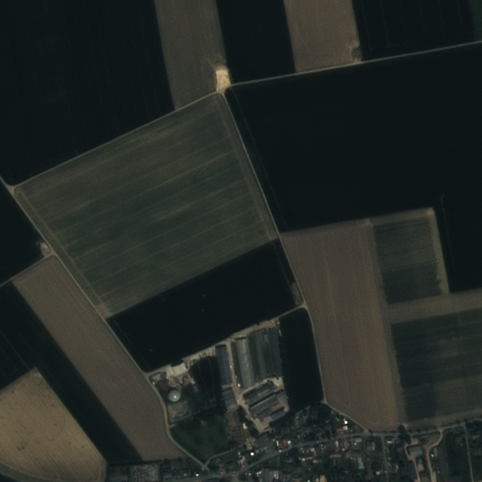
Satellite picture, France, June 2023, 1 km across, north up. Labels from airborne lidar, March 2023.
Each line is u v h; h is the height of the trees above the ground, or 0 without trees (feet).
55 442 0
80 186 0
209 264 0
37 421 0
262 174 0
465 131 0
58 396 0
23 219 0
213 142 0
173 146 0
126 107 0
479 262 0
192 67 0
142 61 0
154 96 0
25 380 0
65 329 0
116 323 0
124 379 0
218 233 0
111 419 0
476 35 0
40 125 0
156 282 0
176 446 0
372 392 0
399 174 0
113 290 0
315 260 0
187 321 0
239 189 0
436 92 0
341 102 0
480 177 0
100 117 0
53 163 0
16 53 0
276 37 0
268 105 0
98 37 0
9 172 0
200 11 0
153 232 0
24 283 0
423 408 0
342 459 0
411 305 0
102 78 0
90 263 0
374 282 0
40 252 0
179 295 0
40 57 0
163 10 0
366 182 0
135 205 0
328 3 0
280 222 0
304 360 0
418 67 0
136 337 0
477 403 0
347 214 0
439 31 0
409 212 0
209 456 0
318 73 0
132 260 0
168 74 0
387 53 0
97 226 0
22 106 0
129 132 0
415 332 0
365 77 0
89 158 0
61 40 0
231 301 0
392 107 0
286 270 0
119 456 0
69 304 0
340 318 0
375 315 0
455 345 0
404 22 0
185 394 0
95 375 0
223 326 0
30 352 0
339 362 0
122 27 0
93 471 0
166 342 0
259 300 0
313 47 0
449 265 0
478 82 0
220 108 0
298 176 0
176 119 0
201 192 0
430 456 0
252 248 0
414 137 0
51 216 0
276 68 0
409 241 0
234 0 0
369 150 0
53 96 0
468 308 0
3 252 0
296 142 0
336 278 0
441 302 0
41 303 0
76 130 0
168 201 0
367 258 0
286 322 0
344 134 0
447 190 0
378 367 0
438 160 0
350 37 0
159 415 0
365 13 0
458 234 0
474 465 0
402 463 25
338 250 0
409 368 0
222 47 0
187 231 0
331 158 0
